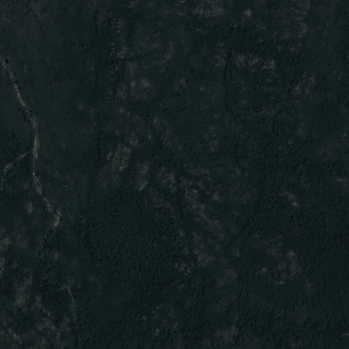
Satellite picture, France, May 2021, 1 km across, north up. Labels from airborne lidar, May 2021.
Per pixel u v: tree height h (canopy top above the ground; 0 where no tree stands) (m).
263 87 12
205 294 16
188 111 12
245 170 14
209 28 8
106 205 12
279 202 11
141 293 8
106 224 9
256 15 6
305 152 8
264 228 10
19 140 12
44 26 10
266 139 12
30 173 19
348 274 16
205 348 10
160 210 13
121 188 10
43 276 6
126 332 8
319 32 8
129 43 7
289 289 13
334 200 11
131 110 10
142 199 6
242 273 13
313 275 14
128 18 9
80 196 12
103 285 13
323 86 15
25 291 6
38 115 10
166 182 6
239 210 10
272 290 14
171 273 5
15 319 8
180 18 6
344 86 5
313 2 7
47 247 8
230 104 17
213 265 7
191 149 11
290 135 10
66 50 6
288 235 6
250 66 7
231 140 10
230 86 14
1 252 6
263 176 12
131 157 6
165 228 13
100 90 10
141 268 12
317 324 10
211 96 7
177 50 10
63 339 11
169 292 9
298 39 10
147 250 9
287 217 18
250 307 12
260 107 7
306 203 12
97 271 9
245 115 6
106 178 6
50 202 9
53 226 11
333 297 16
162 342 7
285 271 11
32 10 19
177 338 7
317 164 5
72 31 9
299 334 20
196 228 7
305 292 13
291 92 14
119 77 8
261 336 17
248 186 11
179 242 8
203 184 8
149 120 11
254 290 9
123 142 11
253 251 11
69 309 6
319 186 12
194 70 17
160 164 9
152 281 8
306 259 14
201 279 6
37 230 8
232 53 13
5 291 9
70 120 7
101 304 7
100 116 11
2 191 6
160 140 12
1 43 8
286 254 9
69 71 8
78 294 11
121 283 13
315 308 13
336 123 6
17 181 13
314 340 9
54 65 7
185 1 7
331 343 12
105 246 6
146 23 7
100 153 19
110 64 7
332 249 17
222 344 18
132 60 8
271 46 10
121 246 11
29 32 0
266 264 12
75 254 7
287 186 11
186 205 6
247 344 8
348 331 7
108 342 10
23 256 10
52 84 10
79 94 8
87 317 12
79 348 22
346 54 11
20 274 6
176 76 10
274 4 10
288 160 15
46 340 7
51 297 8
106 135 12
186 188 9
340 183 6
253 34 16
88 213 8
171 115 12
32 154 19
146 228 13
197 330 14
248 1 7
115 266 14
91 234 22
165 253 7
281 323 20
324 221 13
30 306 10
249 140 9
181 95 15
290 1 7
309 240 14
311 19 8
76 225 8
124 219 7
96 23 21
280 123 11
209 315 19
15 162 15
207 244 7
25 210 7
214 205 9
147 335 11
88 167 7
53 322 6
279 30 10
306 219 19
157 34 9
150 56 7
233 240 8
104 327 9
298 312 7
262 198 14
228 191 12
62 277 12
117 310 6
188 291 6
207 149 14
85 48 7
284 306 11
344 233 15
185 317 15
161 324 14
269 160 19
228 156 12
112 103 6
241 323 12
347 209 9
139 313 7
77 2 7
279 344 7
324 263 14
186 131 6
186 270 19
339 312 12
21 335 11
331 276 15
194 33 7
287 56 13
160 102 9
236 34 13
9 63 17
